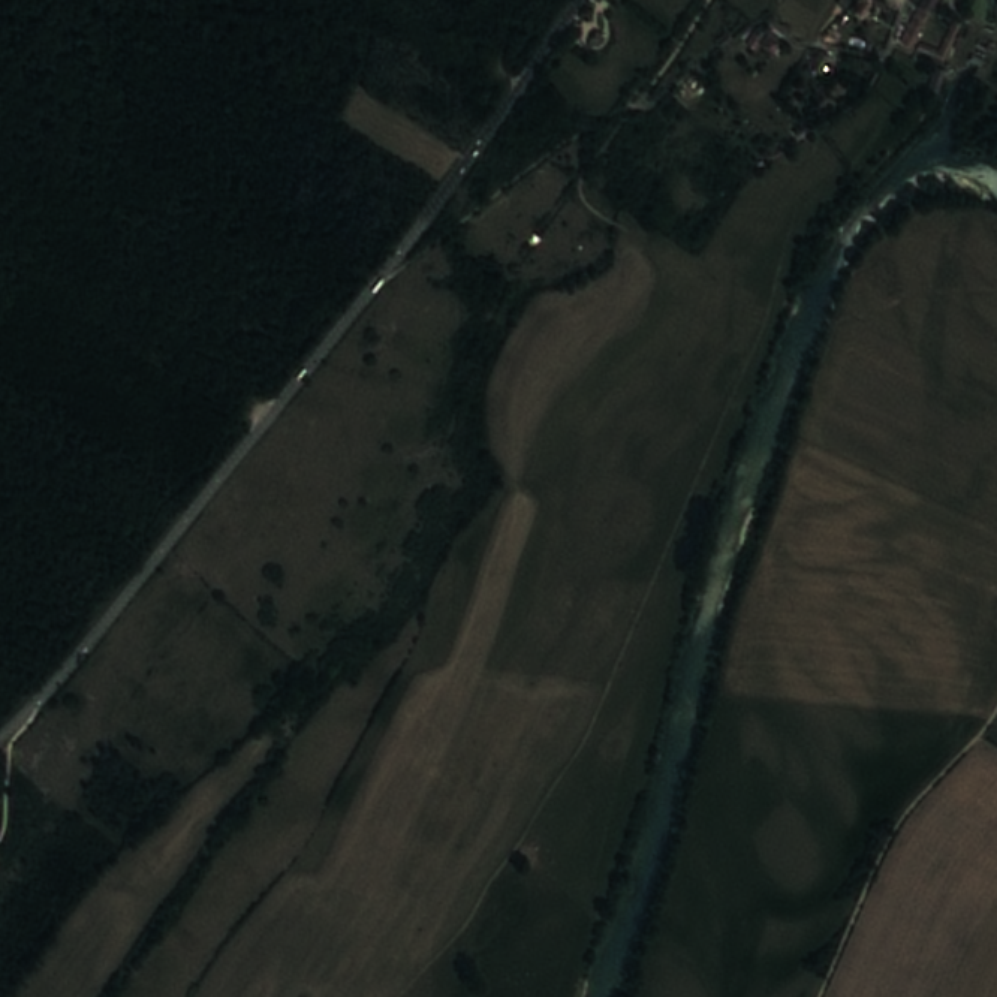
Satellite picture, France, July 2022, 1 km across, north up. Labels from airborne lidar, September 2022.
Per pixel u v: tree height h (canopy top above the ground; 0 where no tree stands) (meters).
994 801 0
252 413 0
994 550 0
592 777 0
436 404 0
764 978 0
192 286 14
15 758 0
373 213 24
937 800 0
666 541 0
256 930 0
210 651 0
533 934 0
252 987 0
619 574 0
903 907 0
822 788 0
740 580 12
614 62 0
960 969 0
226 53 14
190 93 18
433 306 0
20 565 12
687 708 0
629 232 0
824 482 0
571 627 0
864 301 0
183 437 12
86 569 11
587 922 0
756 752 0
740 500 0
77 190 18
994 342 0
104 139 11
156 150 17
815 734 0
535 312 0
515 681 0
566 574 0
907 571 0
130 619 0
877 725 0
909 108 12
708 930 0
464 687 0
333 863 0
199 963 0
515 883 0
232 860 0
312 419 0
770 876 0
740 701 0
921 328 0
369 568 0
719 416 0
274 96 17
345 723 0
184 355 19
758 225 0
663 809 0
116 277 15
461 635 0
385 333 0
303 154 11
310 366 0
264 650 0
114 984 12
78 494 17
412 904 0
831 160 0
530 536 0
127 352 10
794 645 0
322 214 18
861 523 0
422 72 10
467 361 10
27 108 23
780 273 0
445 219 6
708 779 0
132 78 14
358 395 0
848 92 9
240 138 17
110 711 0
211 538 0
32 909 8
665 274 0
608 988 0
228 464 0
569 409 0
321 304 17
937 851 0
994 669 0
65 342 7
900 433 0
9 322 9
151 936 17
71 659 0
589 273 11
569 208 0
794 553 0
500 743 0
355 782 0
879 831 19
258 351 16
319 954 0
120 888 0
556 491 0
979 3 0
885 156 8
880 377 0
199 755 0
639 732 0
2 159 20
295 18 18
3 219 16
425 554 6
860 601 0
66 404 9
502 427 0
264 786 8
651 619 0
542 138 7
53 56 17
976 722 0
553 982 0
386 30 8
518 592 0
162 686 0
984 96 9
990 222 0
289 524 0
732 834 0
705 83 14
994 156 15
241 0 9
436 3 12
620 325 0
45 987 0
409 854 0
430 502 7
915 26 0
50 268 14
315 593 0
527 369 0
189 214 15
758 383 6
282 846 0
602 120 9
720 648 14
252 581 0
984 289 0
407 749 0
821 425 0
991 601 0
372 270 15
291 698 14
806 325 0
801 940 0
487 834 0
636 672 0
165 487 13
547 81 11
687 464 0
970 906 0
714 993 0
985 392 0
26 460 17
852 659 0
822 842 0
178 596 0
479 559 0
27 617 15
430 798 0
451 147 6
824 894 0
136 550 15
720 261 0
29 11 9
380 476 0
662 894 17
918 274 0
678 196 0
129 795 9
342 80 16
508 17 8
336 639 6
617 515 0
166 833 0
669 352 0
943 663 0
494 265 10
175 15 19
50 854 6
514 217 0
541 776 0
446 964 0
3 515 14
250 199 19
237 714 0
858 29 7
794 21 0
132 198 9
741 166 10
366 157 15
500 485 13
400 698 0
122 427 9
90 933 0
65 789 0
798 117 15
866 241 18
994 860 0
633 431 0
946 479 0
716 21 0
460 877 0
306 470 0
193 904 0
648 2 0
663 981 0
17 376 12
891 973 0
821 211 7
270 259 12
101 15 18
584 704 0
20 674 13
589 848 0
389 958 0
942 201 17
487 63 5
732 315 0
